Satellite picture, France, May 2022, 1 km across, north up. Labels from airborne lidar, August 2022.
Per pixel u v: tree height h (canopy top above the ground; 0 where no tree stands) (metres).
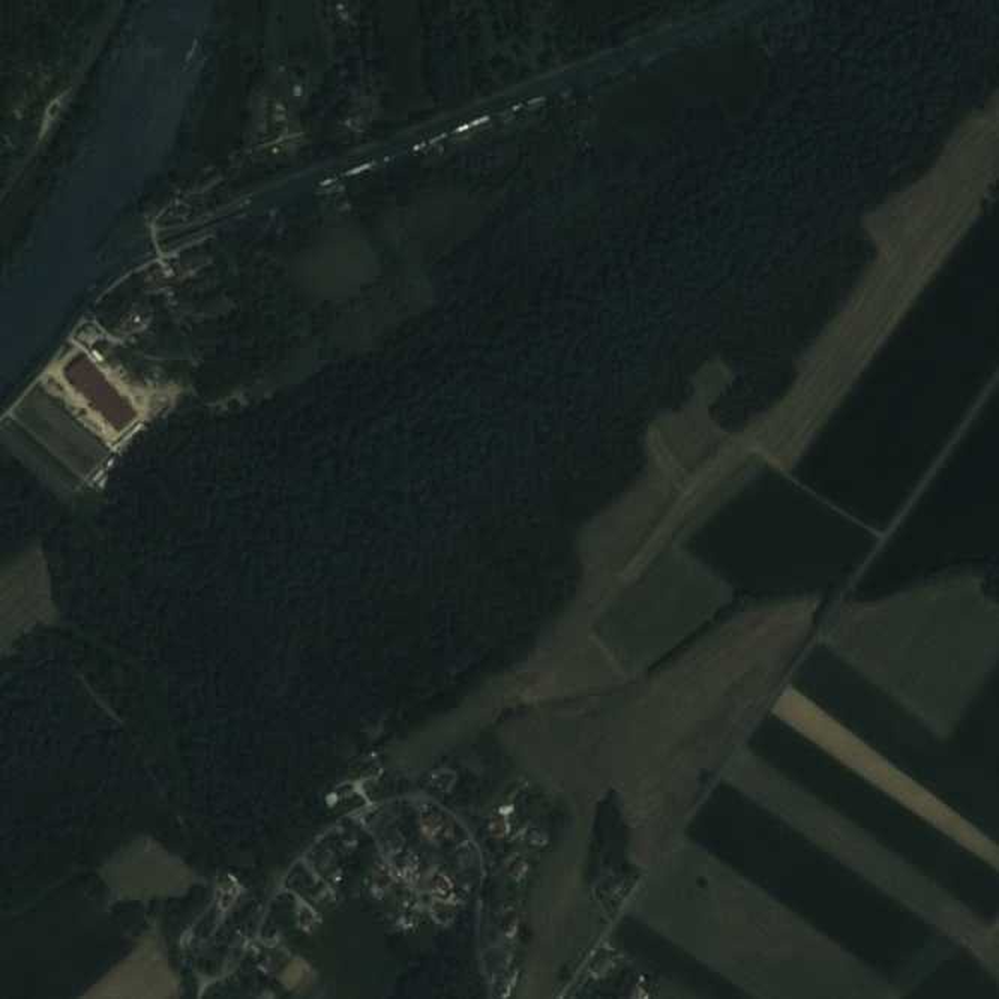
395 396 21
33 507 26
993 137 0
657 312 19
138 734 21
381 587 14
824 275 19
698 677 0
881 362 0
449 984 25
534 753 0
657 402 12
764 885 0
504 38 13
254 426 17
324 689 14
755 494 0
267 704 14
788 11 17
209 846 14
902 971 0
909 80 19
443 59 36
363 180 18
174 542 24
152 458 20
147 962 0
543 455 11
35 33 8
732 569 0
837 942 0
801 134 27
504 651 20
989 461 0
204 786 11
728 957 0
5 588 0
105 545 8
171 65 0
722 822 0
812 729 0
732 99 0
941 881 0
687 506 0
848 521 0
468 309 26
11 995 0
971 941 0
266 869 13
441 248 0
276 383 0
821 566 0
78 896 0
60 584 24
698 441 0
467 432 22
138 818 20
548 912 0
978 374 0
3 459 0
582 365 20
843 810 0
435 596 17
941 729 0
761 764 0
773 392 21
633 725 0
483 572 19
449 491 17
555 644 0
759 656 0
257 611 15
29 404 0
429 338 15
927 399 0
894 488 0
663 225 19
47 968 0
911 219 0
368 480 26
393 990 0
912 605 0
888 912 0
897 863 0
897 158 23
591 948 0
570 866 0
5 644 0
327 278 0
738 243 20
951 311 0
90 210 0
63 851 20
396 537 17
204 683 24
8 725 21
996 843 0
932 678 0
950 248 0
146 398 0
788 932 0
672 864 0
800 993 0
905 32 21
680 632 0
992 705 0
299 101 0
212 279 10
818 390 0
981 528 0
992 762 0
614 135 0
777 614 0
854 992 0
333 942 0
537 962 0
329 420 22
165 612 22
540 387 21
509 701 0
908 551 0
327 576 21
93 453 0
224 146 0
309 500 19
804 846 0
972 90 24
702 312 18
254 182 6
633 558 0
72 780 10
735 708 0
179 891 0
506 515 17
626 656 0
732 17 0
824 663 0
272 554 21
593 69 0
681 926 0
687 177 22
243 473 13
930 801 0
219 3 10
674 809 0
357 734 22
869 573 0
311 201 17
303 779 21
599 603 0
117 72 0
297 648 12
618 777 0
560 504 20
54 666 21
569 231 24
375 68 20
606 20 15
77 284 0
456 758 7
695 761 0
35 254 0
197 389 9
